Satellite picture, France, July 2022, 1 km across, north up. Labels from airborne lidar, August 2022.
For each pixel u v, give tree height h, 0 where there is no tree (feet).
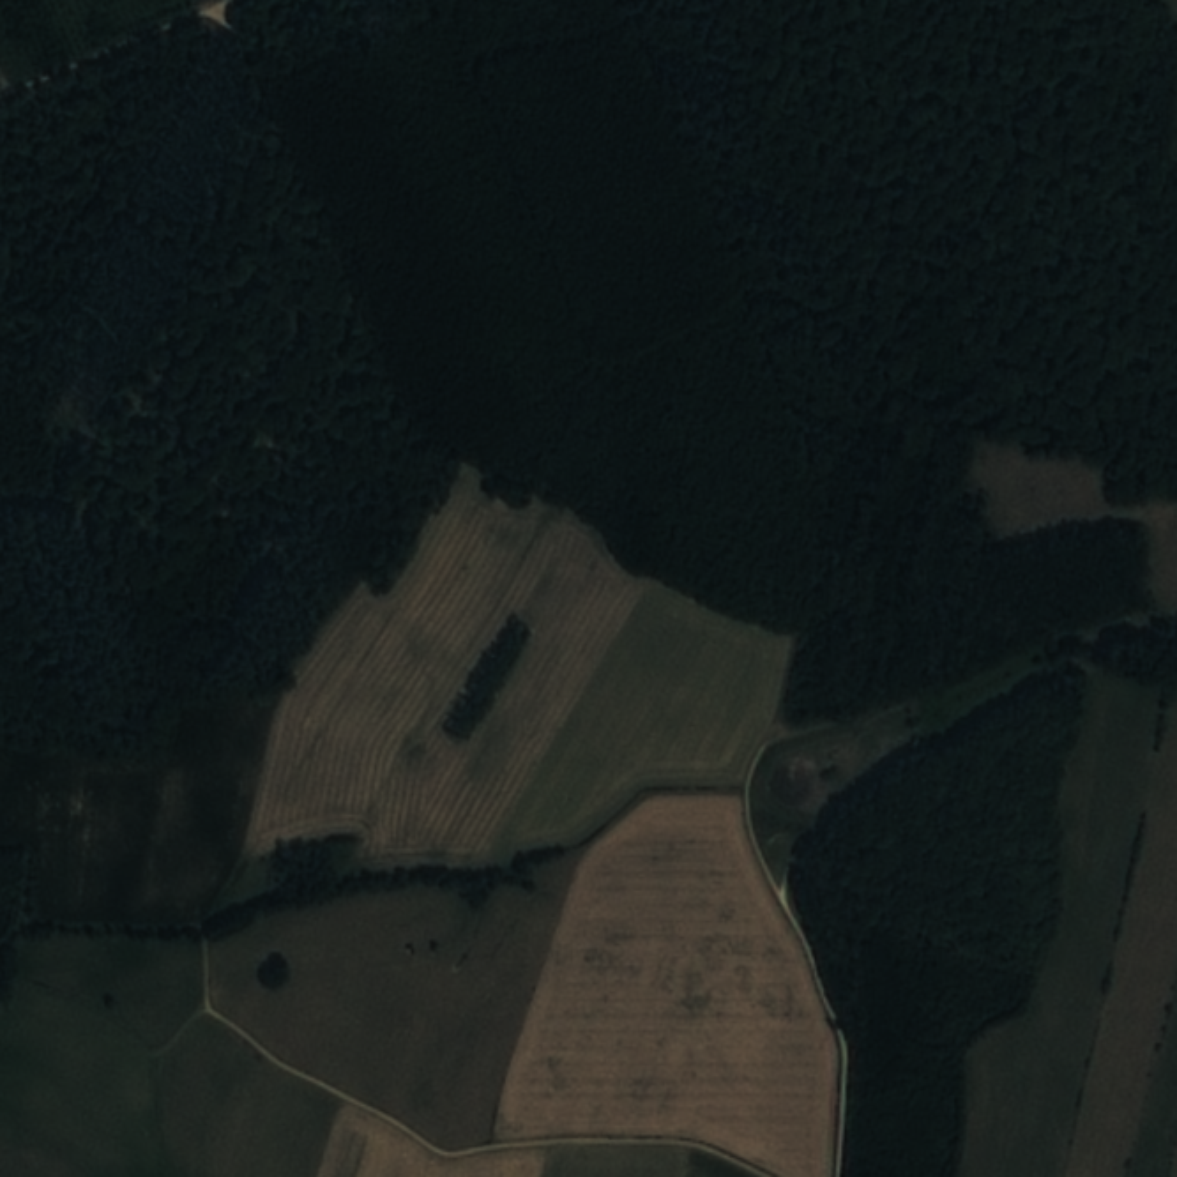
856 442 57
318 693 0
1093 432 86
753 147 58
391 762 0
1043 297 86
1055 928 53
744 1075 0
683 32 62
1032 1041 0
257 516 67
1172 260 67
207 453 77
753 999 0
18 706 99
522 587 0
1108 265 84
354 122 54
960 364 46
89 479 87
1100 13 67
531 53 87
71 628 108
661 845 0
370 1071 0
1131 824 0
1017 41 83
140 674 56
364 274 55
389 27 92
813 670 28
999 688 0
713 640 0
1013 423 86
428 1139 0
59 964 0
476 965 0
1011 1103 0
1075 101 85
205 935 39
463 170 33
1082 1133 0
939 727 0
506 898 0
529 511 0
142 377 90
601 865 0
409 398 55
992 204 72
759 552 47
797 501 50
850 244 69
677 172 80
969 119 84
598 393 56
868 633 47
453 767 0
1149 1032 0
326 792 0
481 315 33
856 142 74
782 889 0
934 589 77
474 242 34
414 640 0
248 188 79
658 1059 0
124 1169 0
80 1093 0
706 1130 0
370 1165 0
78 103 57
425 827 0
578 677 0
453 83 31
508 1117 0
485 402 51
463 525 0
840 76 88
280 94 58
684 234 77
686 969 0
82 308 80
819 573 58
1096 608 73
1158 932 0
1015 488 0
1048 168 66
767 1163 0
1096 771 0
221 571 34
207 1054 0
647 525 53
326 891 58
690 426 52
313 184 54
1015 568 66
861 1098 27
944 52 68
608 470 50
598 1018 0
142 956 0
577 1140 0
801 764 0
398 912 0
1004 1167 0
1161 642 71
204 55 84
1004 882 79
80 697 93
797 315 54
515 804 0
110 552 78
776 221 74
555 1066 0
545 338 35
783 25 58
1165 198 70
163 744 65
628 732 0
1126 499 37
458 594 0
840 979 32
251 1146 0
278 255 77
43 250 78
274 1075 0
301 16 107
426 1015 0
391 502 57
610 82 82
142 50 41
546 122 87
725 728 0
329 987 0
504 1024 0
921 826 70
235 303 77
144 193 73
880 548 72
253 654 99
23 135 63
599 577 0
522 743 0
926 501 76
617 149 85
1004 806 64
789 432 42
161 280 84
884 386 49
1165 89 70
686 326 51
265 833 0
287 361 87
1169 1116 0
